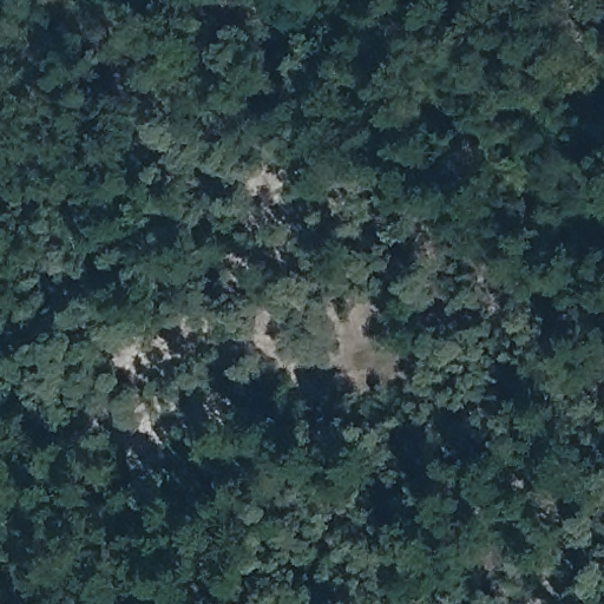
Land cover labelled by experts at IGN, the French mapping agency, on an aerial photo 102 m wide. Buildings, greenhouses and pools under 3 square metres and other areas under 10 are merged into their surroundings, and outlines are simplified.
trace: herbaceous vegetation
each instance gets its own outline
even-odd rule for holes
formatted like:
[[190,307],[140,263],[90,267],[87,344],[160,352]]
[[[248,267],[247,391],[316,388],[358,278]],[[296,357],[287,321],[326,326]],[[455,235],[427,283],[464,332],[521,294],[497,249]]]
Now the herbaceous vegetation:
[[486,595],[498,595],[507,573],[486,571],[477,566],[470,571],[467,583]]
[[562,335],[569,328],[573,328],[573,321],[552,307],[550,297],[533,295],[531,314],[538,314],[543,319],[545,333],[550,333],[554,340],[562,340]]
[[26,321],[5,323],[0,333],[0,359],[12,356],[24,344],[35,344],[40,333],[54,326],[54,314],[64,311],[68,302],[87,297],[90,293],[116,281],[123,267],[111,264],[109,269],[97,269],[97,260],[87,252],[80,278],[61,276],[61,281],[54,281],[54,276],[42,274],[42,302],[35,309],[35,314]]
[[248,106],[243,109],[245,118],[262,116],[283,104],[285,87],[281,76],[281,61],[290,52],[290,42],[281,33],[274,40],[262,42],[269,90],[248,97]]
[[295,238],[300,248],[321,250],[328,236],[342,224],[337,215],[330,212],[328,203],[281,203],[274,205],[274,215],[281,224],[290,227],[288,236]]
[[123,106],[134,106],[137,120],[149,123],[156,118],[156,111],[163,109],[163,104],[156,101],[151,92],[130,87],[127,78],[134,73],[134,59],[123,54],[116,64],[94,66],[94,78],[80,78],[80,92],[83,97],[113,97]]
[[380,61],[387,61],[389,42],[375,35],[373,28],[366,28],[363,38],[359,40],[359,54],[352,59],[352,76],[373,78]]
[[0,604],[26,604],[14,590],[9,573],[0,569]]
[[45,540],[38,540],[33,536],[31,519],[26,519],[24,510],[12,507],[7,514],[7,538],[2,543],[2,552],[17,564],[17,573],[26,576],[31,571],[33,559],[47,557],[47,545]]
[[536,238],[531,238],[529,248],[521,255],[529,267],[550,262],[557,248],[566,248],[566,257],[576,260],[585,260],[585,255],[592,250],[604,252],[604,227],[597,219],[580,217],[566,219],[562,227],[540,224],[533,217],[538,208],[536,193],[521,193],[519,210],[514,215],[507,215],[507,210],[503,208],[493,212],[498,231],[503,231],[505,236],[514,236],[521,229],[531,229],[536,234]]
[[248,21],[245,7],[196,5],[191,7],[191,17],[198,21],[196,47],[203,50],[217,42],[217,33],[222,28],[238,28],[243,21]]
[[441,186],[460,182],[465,186],[470,177],[477,177],[484,165],[484,153],[479,151],[479,142],[474,134],[460,134],[458,139],[453,139],[451,146],[434,163],[425,168],[408,168],[378,156],[378,151],[385,144],[406,144],[425,125],[429,132],[444,134],[453,125],[451,118],[444,116],[434,104],[425,101],[420,106],[420,113],[411,118],[406,125],[387,130],[378,127],[368,137],[368,142],[363,142],[359,149],[352,149],[352,160],[356,165],[378,168],[382,172],[399,172],[406,186]]
[[385,465],[396,472],[394,484],[373,484],[356,500],[356,507],[368,512],[368,519],[375,526],[394,524],[394,507],[403,500],[403,488],[411,488],[411,493],[418,498],[427,498],[425,488],[429,481],[429,462],[472,462],[477,455],[484,453],[486,444],[491,444],[493,432],[486,427],[472,427],[472,415],[484,411],[495,418],[505,401],[512,401],[517,408],[521,408],[524,403],[538,399],[540,389],[533,385],[531,375],[519,378],[514,366],[500,361],[493,366],[491,373],[493,382],[484,385],[481,401],[467,401],[458,411],[439,408],[422,425],[411,422],[406,427],[399,425],[392,429],[392,455]]
[[354,356],[342,356],[342,361],[335,366],[300,368],[295,387],[288,380],[288,370],[276,368],[260,373],[250,382],[231,382],[227,378],[227,368],[236,366],[243,356],[248,356],[248,347],[252,342],[222,342],[217,361],[210,363],[205,375],[198,375],[198,387],[193,392],[182,392],[177,403],[172,413],[163,413],[153,422],[153,429],[160,436],[158,446],[149,439],[149,434],[139,432],[123,432],[113,425],[111,418],[87,415],[85,411],[78,418],[71,418],[68,425],[50,429],[33,411],[21,406],[19,396],[0,399],[0,420],[9,420],[12,415],[17,415],[21,420],[24,436],[35,451],[50,444],[61,446],[68,441],[78,441],[83,436],[106,434],[109,441],[118,446],[118,465],[111,474],[113,491],[125,491],[144,505],[151,505],[153,500],[177,505],[186,491],[210,484],[205,479],[205,470],[191,462],[191,451],[186,448],[186,441],[203,436],[208,425],[203,399],[212,399],[212,392],[231,399],[231,406],[227,406],[229,413],[241,411],[262,432],[290,429],[295,434],[297,425],[330,425],[335,418],[340,418],[340,413],[344,411],[342,399],[354,387],[363,394],[368,387],[387,387],[387,382],[394,378],[403,380],[403,385],[411,385],[418,359],[399,359],[394,352],[385,347],[385,326],[380,323],[380,319],[385,316],[385,309],[392,300],[399,300],[396,295],[392,295],[392,285],[403,276],[411,276],[411,264],[415,262],[415,257],[420,252],[434,250],[434,243],[415,224],[413,234],[403,243],[394,243],[389,248],[387,269],[373,274],[380,281],[380,295],[375,295],[370,302],[373,311],[363,328],[370,340],[361,349],[356,349]]
[[576,576],[587,564],[599,564],[599,569],[604,566],[604,536],[592,536],[585,547],[569,547],[566,540],[559,540],[559,566],[552,576],[540,576],[543,585],[536,587],[524,604],[580,604],[573,595]]
[[311,564],[307,566],[283,564],[285,571],[293,571],[293,590],[309,590],[307,604],[354,604],[347,587],[316,580],[316,571],[326,554],[316,552]]
[[576,432],[590,446],[597,446],[599,455],[604,458],[604,420],[595,422],[585,418],[585,422],[576,427]]
[[151,227],[158,241],[163,241],[170,248],[179,234],[177,219],[153,215],[146,224]]
[[481,323],[481,311],[477,309],[460,309],[446,314],[446,304],[434,300],[425,311],[418,311],[408,319],[408,333],[422,335],[427,328],[434,326],[455,326],[458,330],[467,330]]
[[73,12],[68,12],[66,7],[59,9],[52,2],[47,2],[47,31],[57,42],[66,33],[78,33],[78,21],[73,19]]
[[521,517],[531,521],[531,526],[547,524],[552,529],[562,529],[566,519],[576,517],[578,505],[557,500],[554,505],[545,507],[526,503]]
[[278,278],[285,276],[302,278],[304,269],[300,267],[297,257],[283,250],[281,245],[241,245],[236,255],[248,260],[250,264],[264,267],[262,276],[269,283],[278,283]]
[[151,168],[153,160],[160,158],[158,151],[142,144],[139,132],[132,132],[132,144],[127,151],[123,151],[120,158],[120,168],[125,170],[125,184],[137,184],[139,172]]
[[366,224],[361,224],[359,236],[347,238],[347,250],[370,252],[373,243],[378,241],[378,227],[368,219]]
[[566,97],[564,113],[578,116],[578,125],[573,127],[569,142],[557,142],[559,156],[573,163],[583,160],[597,149],[604,149],[604,83],[599,83],[597,90],[592,90],[590,94],[573,92]]
[[493,477],[493,486],[498,488],[498,493],[493,495],[495,503],[505,503],[512,495],[524,495],[533,491],[531,477],[526,477],[517,467],[505,467],[500,474]]
[[85,495],[85,505],[80,507],[80,514],[87,524],[92,524],[94,529],[104,529],[106,540],[116,540],[118,536],[142,536],[144,524],[132,510],[99,514],[104,498],[99,491],[94,491]]

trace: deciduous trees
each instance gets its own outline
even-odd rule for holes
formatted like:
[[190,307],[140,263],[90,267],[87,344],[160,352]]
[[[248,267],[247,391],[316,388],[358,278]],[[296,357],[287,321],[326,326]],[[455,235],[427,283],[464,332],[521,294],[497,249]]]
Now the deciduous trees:
[[248,347],[248,356],[243,356],[236,366],[227,368],[227,378],[231,382],[250,382],[260,373],[276,368],[274,361],[252,342]]
[[604,604],[604,566],[599,569],[599,564],[587,564],[576,576],[573,595],[580,604]]
[[[59,9],[66,7],[68,12],[73,12],[73,19],[78,21],[78,33],[66,33],[57,42],[47,31],[47,2],[52,2]],[[217,33],[217,42],[203,50],[196,47],[198,21],[191,17],[191,7],[196,5],[245,7],[248,21],[243,21],[238,28],[222,28]],[[352,59],[359,54],[359,40],[363,38],[366,28],[373,28],[375,35],[389,42],[387,61],[380,61],[373,78],[352,76]],[[283,104],[262,116],[245,118],[243,109],[248,106],[248,97],[269,90],[262,42],[274,40],[281,33],[290,42],[290,52],[281,61],[281,76],[285,87]],[[113,97],[83,97],[80,92],[80,78],[94,78],[94,66],[116,64],[123,54],[134,59],[134,73],[127,78],[130,87],[151,92],[156,101],[163,104],[163,109],[156,111],[156,118],[149,123],[137,120],[134,106],[123,106]],[[307,566],[311,564],[316,552],[326,554],[316,571],[316,580],[347,587],[354,604],[524,604],[536,587],[543,585],[540,576],[552,576],[559,566],[559,540],[566,540],[569,547],[585,547],[592,536],[604,536],[604,458],[599,455],[597,446],[590,446],[576,432],[576,427],[585,422],[585,418],[595,422],[604,420],[604,252],[592,250],[585,255],[585,260],[576,260],[566,257],[566,248],[557,248],[550,262],[529,267],[521,255],[529,248],[531,238],[536,238],[536,234],[531,229],[521,229],[514,236],[505,236],[503,231],[498,231],[493,212],[503,208],[507,210],[507,215],[514,215],[519,210],[521,193],[536,193],[538,208],[533,217],[540,224],[562,227],[566,219],[580,217],[597,219],[604,227],[604,149],[597,149],[583,160],[573,163],[559,156],[557,142],[569,142],[573,127],[578,125],[578,116],[564,113],[566,97],[573,92],[590,94],[592,90],[597,90],[599,83],[604,83],[604,0],[0,0],[0,333],[5,323],[26,321],[35,314],[35,309],[42,302],[42,274],[54,276],[54,281],[61,281],[61,276],[80,278],[87,252],[97,260],[97,269],[109,269],[111,264],[123,267],[116,281],[90,293],[87,297],[68,302],[64,311],[54,314],[54,326],[40,333],[35,344],[24,344],[12,356],[0,359],[0,399],[19,396],[21,406],[33,411],[50,429],[68,425],[71,418],[78,418],[85,411],[87,415],[111,418],[113,425],[123,432],[139,432],[139,418],[134,415],[134,406],[153,406],[153,396],[158,396],[160,403],[175,399],[177,403],[182,392],[193,392],[198,387],[198,375],[205,375],[210,363],[217,361],[222,342],[252,342],[257,311],[267,309],[269,321],[278,326],[278,335],[274,337],[276,352],[295,359],[300,368],[335,366],[330,363],[330,354],[340,349],[340,342],[335,328],[326,316],[326,307],[333,304],[337,316],[347,321],[349,309],[354,304],[370,302],[375,295],[380,295],[380,281],[373,274],[387,269],[389,248],[394,243],[403,243],[413,234],[415,224],[434,243],[434,250],[420,252],[415,257],[415,262],[411,264],[411,276],[403,276],[392,285],[392,295],[396,295],[399,300],[392,300],[385,309],[385,316],[380,319],[380,323],[385,326],[385,347],[394,352],[399,359],[418,359],[411,385],[403,385],[403,380],[394,378],[387,382],[387,387],[368,387],[363,394],[354,387],[342,399],[344,411],[340,413],[340,418],[335,418],[330,425],[297,425],[295,434],[290,429],[262,432],[241,411],[229,413],[224,422],[212,420],[208,425],[203,436],[186,441],[186,448],[191,451],[191,462],[205,470],[205,479],[210,484],[186,491],[177,505],[153,500],[151,505],[144,505],[125,491],[113,491],[111,474],[118,465],[118,446],[109,441],[106,434],[83,436],[78,441],[68,441],[61,446],[50,444],[35,451],[24,436],[21,420],[17,415],[12,415],[9,420],[0,420],[0,569],[9,573],[14,590],[26,604],[307,604],[309,590],[293,590],[293,571],[285,571],[283,564]],[[444,134],[429,132],[425,125],[406,144],[385,144],[378,151],[378,156],[408,168],[425,168],[434,163],[451,146],[453,139],[458,139],[460,134],[474,134],[479,142],[479,151],[484,153],[484,165],[477,177],[470,177],[465,186],[460,182],[441,186],[406,186],[399,172],[382,172],[378,168],[356,165],[352,160],[352,149],[359,149],[363,142],[368,142],[368,137],[378,127],[387,130],[406,125],[411,118],[420,113],[420,106],[425,101],[434,104],[444,116],[451,118],[453,125]],[[153,160],[151,168],[139,172],[137,184],[125,184],[125,170],[120,168],[120,158],[123,151],[127,151],[132,144],[132,132],[139,132],[142,144],[158,151],[160,158]],[[290,227],[281,224],[257,231],[257,236],[245,236],[241,234],[245,224],[241,222],[241,217],[252,212],[255,193],[248,191],[245,184],[257,170],[267,170],[276,175],[276,179],[281,179],[281,203],[328,203],[330,212],[337,215],[342,224],[328,236],[321,250],[300,248],[295,238],[288,236]],[[170,248],[163,241],[158,241],[151,227],[146,224],[153,215],[177,219],[179,234]],[[373,243],[370,252],[347,250],[347,238],[359,236],[361,224],[366,224],[368,219],[378,227],[378,241]],[[217,262],[224,262],[229,252],[236,255],[241,245],[281,245],[283,250],[297,257],[300,267],[304,269],[302,278],[285,276],[278,278],[278,283],[269,283],[262,276],[264,267],[250,264],[248,269],[243,269],[243,274],[236,274],[236,283],[222,281],[219,297],[205,297],[205,271]],[[550,333],[545,333],[543,319],[538,314],[531,314],[533,295],[550,297],[552,307],[573,321],[573,328],[569,328],[562,335],[562,340],[554,340]],[[425,311],[434,300],[446,304],[446,314],[460,309],[477,309],[481,311],[481,323],[467,330],[458,330],[455,326],[434,326],[427,328],[422,335],[408,333],[408,319],[418,311]],[[160,337],[160,330],[179,326],[179,316],[186,316],[189,321],[203,321],[208,316],[210,330],[196,335],[203,342],[212,344],[210,352],[201,359],[189,359],[186,363],[177,366],[172,382],[151,382],[144,389],[123,392],[116,387],[116,378],[111,375],[92,378],[94,366],[101,361],[101,352],[111,352],[116,356],[125,347],[130,347],[134,337],[151,333]],[[394,524],[375,526],[368,519],[368,512],[356,507],[356,500],[373,484],[394,484],[396,472],[385,465],[392,455],[392,429],[399,425],[406,427],[411,422],[422,425],[439,408],[458,411],[467,401],[481,401],[484,385],[493,382],[491,373],[493,366],[500,361],[514,366],[519,378],[531,375],[533,385],[540,389],[538,399],[524,403],[521,408],[517,408],[512,401],[505,401],[495,418],[484,411],[472,415],[472,427],[486,427],[493,432],[491,444],[486,444],[484,453],[477,455],[472,462],[429,462],[429,481],[425,488],[427,498],[418,498],[411,493],[411,488],[403,488],[403,500],[394,507]],[[512,495],[505,503],[495,503],[493,495],[498,493],[498,488],[493,486],[493,477],[500,474],[505,467],[517,467],[526,477],[531,477],[533,491],[524,495]],[[94,529],[92,524],[87,524],[80,514],[80,507],[85,505],[85,495],[94,491],[99,491],[104,498],[99,514],[132,510],[144,524],[142,536],[118,536],[116,540],[106,540],[104,529]],[[566,519],[562,529],[552,529],[547,524],[531,526],[531,521],[521,517],[526,503],[545,507],[554,505],[557,500],[578,505],[576,517]],[[12,507],[24,510],[26,519],[31,519],[33,536],[38,540],[45,540],[47,545],[47,557],[33,559],[31,571],[26,576],[17,573],[17,564],[2,552],[2,543],[7,538],[7,514]],[[486,595],[467,583],[470,571],[477,566],[486,571],[507,573],[498,595]]]

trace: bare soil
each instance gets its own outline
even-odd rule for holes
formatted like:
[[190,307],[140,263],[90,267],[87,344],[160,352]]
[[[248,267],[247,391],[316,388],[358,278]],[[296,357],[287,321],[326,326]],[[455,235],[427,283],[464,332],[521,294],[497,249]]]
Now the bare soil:
[[229,252],[224,262],[217,262],[205,271],[205,297],[219,297],[222,281],[236,283],[236,274],[243,274],[243,269],[248,269],[250,264],[248,260],[236,255]]
[[252,212],[241,217],[241,222],[245,224],[241,234],[245,236],[257,236],[257,231],[281,224],[274,215],[274,205],[281,203],[281,179],[276,179],[276,175],[267,170],[257,170],[245,184],[248,191],[255,193]]
[[172,413],[177,403],[175,399],[160,403],[158,396],[153,396],[153,406],[134,406],[134,415],[139,418],[139,432],[149,434],[149,439],[158,446],[160,436],[153,429],[153,422],[163,413]]
[[326,307],[326,316],[335,328],[340,342],[340,349],[330,354],[330,363],[335,366],[342,361],[342,356],[354,356],[356,349],[361,349],[370,340],[363,328],[373,311],[370,302],[354,304],[349,309],[347,321],[337,316],[333,304]]
[[300,368],[295,359],[276,352],[274,337],[278,335],[278,326],[269,321],[267,309],[257,311],[252,342],[274,361],[276,368],[288,370],[288,380],[295,387]]
[[144,389],[151,382],[172,382],[177,366],[186,363],[189,359],[201,359],[210,352],[212,344],[203,342],[196,335],[210,330],[208,316],[203,321],[189,321],[186,316],[179,316],[179,326],[160,330],[160,337],[151,333],[134,337],[130,347],[125,347],[116,356],[111,352],[101,352],[101,361],[94,366],[92,378],[111,375],[116,378],[116,387],[123,392]]
[[229,413],[227,406],[231,406],[231,399],[212,392],[212,399],[203,399],[208,425],[212,420],[224,422]]

